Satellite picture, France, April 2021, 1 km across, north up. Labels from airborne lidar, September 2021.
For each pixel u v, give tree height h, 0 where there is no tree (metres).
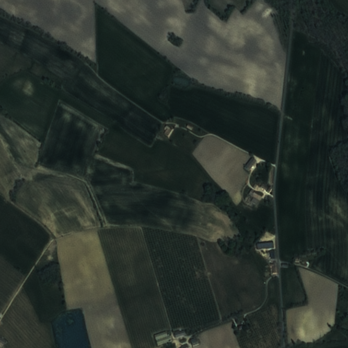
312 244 0
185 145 0
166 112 0
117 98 0
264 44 0
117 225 0
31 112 0
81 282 0
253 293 0
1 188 0
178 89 0
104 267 0
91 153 0
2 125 0
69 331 0
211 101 0
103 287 0
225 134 0
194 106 0
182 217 0
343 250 0
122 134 0
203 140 0
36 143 0
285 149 0
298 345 7
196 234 0
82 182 0
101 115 0
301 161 0
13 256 0
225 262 0
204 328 7
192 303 6
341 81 0
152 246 6
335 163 11
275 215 0
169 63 10
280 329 15
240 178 0
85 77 0
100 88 0
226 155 0
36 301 0
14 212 0
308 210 0
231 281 0
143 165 0
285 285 0
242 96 12
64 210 0
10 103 0
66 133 0
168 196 0
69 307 0
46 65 0
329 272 0
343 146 19
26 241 0
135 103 0
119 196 0
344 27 27
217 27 0
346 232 0
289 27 7
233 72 0
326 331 0
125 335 0
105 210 0
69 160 0
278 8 20
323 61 0
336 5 0
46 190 0
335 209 0
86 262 0
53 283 15
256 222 0
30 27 18
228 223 0
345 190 8
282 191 0
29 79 0
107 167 0
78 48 0
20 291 0
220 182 0
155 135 0
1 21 0
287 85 0
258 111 0
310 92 0
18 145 0
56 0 0
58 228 0
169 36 12
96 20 0
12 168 0
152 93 0
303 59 0
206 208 0
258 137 0
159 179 0
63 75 0
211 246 0
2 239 0
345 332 8
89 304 0
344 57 18
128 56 0
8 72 0
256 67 0
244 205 0
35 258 0
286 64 0
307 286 0
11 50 0
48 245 0
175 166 0
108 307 0
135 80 0
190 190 0
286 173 0
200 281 5
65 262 0
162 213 0
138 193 0
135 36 0
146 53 0
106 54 0
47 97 0
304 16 17
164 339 0
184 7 0
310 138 0
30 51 0
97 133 0
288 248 0
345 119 15
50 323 0
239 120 0
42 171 0
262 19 0
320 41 16
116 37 0
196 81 11
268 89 0
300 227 0
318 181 0
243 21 0
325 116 0
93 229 0
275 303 0
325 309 0
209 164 0
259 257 0
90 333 0
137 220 0
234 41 0
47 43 0
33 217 0
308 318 0
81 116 0
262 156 0
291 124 0
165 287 7
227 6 0
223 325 12
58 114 0
